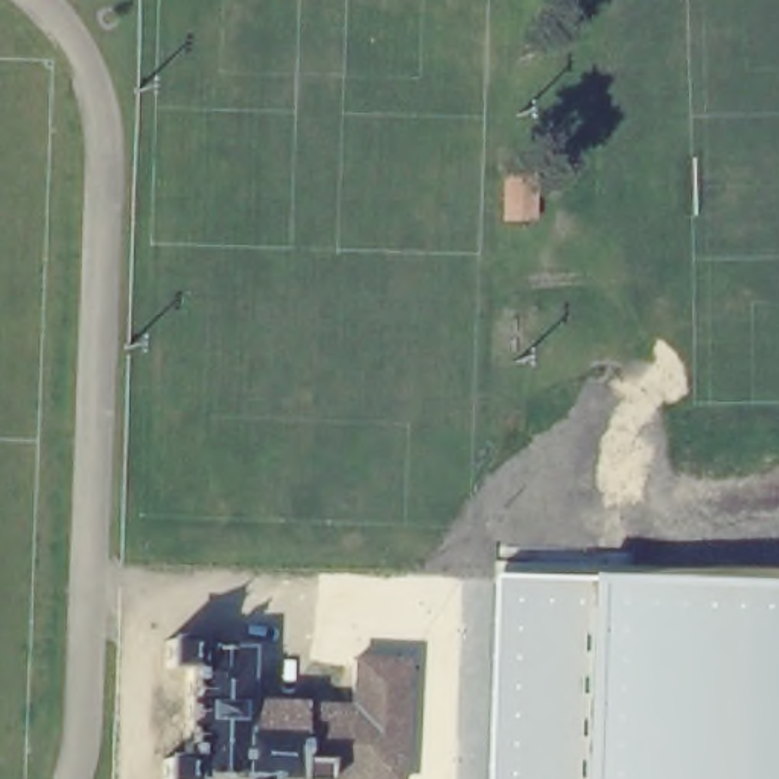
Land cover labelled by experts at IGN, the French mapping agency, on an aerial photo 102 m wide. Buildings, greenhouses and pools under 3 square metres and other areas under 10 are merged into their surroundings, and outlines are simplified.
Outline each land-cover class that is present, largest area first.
<instances>
[{"label":"herbaceous vegetation","instance_id":"1","mask_svg":"<svg viewBox=\"0 0 779 779\"><path fill-rule=\"evenodd\" d=\"M85 131L79 97L73 88V67L64 49L52 43L33 24V18L12 0H0V779H55L64 746L67 688V584L73 517ZM73 12L82 18L107 64L122 113L125 201L110 475V557L146 569H243L259 575L292 578H310L323 572L417 575L432 560L435 548L447 536L450 523L463 514L475 490H481V484L490 475H496L511 456L529 447L536 435L548 432L572 411L584 383L593 380V356L648 365L654 359L657 341L669 344L679 353L688 377L685 396L679 402L660 405L657 411L666 429V456L672 472L694 478H742L767 472L779 463V0H578L581 12H587L590 18L572 40L575 61H563V67H542L536 61L539 52H533V46L526 43V27L548 9V0H67ZM554 107L560 116L569 119L578 110L584 122L578 134L566 140L569 164H581L578 176L564 187L539 193L536 219L508 222L505 180L514 176V170L508 167L511 146H520V137L536 128L539 113ZM116 642L103 645L100 752L91 779H113L119 742Z\"/></svg>","mask_w":779,"mask_h":779},{"label":"pervious surface","instance_id":"2","mask_svg":"<svg viewBox=\"0 0 779 779\"><path fill-rule=\"evenodd\" d=\"M593 380L584 383L572 411L548 432L536 435L529 447L511 456L496 475H490L481 484V490H475L463 514L450 523L447 536L435 548L432 560L417 575L323 572L310 578H292L259 575L243 569H146L134 581V587L116 590V642L119 742L113 779H176V742L186 739L183 688L173 676L176 669H170V663L164 660V642H180L186 636L204 645L234 642V651H253L259 698L310 703H350V685L356 682L359 669L356 660L374 639L426 642L423 755L420 773H414L411 779H456V700L463 648L459 578L496 575V563H505L508 572H700L779 581V463L767 472L742 478H694L672 472L666 456V429L657 411L660 405L679 402L685 396L688 377L679 353L669 344L657 341L654 359L648 365L593 356Z\"/></svg>","mask_w":779,"mask_h":779},{"label":"building","instance_id":"3","mask_svg":"<svg viewBox=\"0 0 779 779\"><path fill-rule=\"evenodd\" d=\"M539 193L536 176H514L505 180L508 222L536 219ZM490 779H779V581L700 572H508L505 563H496V575ZM164 660L170 663V669H176L173 676L183 688L186 739L176 742V779H411L414 773H420L423 755L426 642L374 639L356 660L359 669L356 682L350 685V703H310L259 698L253 651H234V642L204 645L186 636L180 642H164Z\"/></svg>","mask_w":779,"mask_h":779},{"label":"impervious surface","instance_id":"4","mask_svg":"<svg viewBox=\"0 0 779 779\"><path fill-rule=\"evenodd\" d=\"M33 18V24L52 43L64 49L73 67V88L79 97L85 131L73 517L67 584V688L64 746L55 779H91L100 752L103 645L116 642V590L134 587V581L146 569L110 557V475L125 201L122 113L107 64L82 18L73 12L67 0H12ZM463 648L456 700V779H490L496 575L459 578Z\"/></svg>","mask_w":779,"mask_h":779},{"label":"deciduous trees","instance_id":"5","mask_svg":"<svg viewBox=\"0 0 779 779\"><path fill-rule=\"evenodd\" d=\"M590 18L587 12H581L578 0H548V9L526 27V43L533 46V52H539L536 61L542 67H563V61H575L572 40ZM584 122L578 110L569 119L560 116L554 107L539 113L536 128L520 137V146H511L508 167L514 170V176H536L539 193L564 187L578 176L581 164H569L566 140L578 134Z\"/></svg>","mask_w":779,"mask_h":779}]
</instances>
